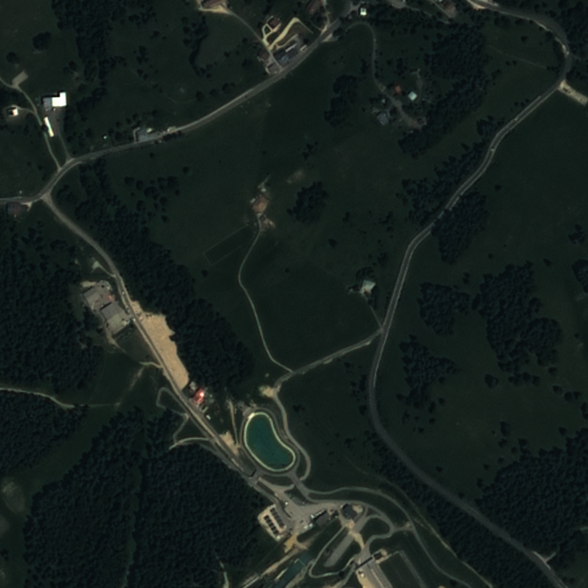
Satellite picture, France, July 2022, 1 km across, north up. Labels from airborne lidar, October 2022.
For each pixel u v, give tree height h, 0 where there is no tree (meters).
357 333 0
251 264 0
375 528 0
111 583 27
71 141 12
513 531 16
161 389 0
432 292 26
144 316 0
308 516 0
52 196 0
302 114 0
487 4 0
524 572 22
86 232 0
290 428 0
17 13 0
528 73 0
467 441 0
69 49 0
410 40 0
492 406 0
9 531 0
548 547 17
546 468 22
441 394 0
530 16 0
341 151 0
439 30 14
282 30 0
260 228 0
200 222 0
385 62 0
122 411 0
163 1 0
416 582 0
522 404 0
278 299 0
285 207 0
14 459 26
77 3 12
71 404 0
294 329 0
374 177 0
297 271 0
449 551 0
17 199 0
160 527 27
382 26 22
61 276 9
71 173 0
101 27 14
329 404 0
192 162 0
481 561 18
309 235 0
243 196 0
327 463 0
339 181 0
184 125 0
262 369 0
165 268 26
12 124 0
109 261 0
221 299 0
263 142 0
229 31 0
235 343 17
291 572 0
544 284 0
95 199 27
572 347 0
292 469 0
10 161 0
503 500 19
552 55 0
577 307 0
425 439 0
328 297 0
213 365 24
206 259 0
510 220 0
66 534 27
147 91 0
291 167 0
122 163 0
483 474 0
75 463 0
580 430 0
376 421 0
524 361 15
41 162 0
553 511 34
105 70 25
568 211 0
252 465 0
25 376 24
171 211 0
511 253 0
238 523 26
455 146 0
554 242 0
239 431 0
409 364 24
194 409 0
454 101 20
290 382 0
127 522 26
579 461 14
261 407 0
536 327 27
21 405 28
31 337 22
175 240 0
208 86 0
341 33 13
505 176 0
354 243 0
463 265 0
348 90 19
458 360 0
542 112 0
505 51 0
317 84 0
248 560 27
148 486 26
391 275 0
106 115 0
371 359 0
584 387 0
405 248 0
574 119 0
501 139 0
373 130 0
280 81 0
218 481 25
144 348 0
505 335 26
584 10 19
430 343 0
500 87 0
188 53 0
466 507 0
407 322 0
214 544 24
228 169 0
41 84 0
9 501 0
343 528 0
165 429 16
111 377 0
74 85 0
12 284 11
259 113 0
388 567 0
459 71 18
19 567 0
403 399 19
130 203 0
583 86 0
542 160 0
